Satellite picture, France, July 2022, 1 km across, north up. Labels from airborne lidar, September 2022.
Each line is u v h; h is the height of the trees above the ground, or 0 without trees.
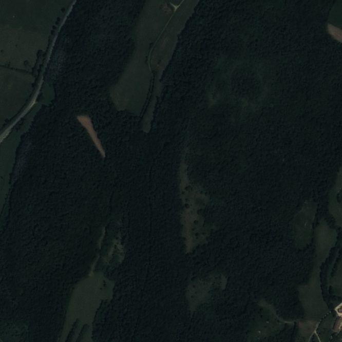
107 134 20
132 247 16
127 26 13
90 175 17
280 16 11
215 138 18
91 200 18
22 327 8
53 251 13
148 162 22
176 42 0
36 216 14
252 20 11
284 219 8
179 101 18
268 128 13
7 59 0
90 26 15
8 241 17
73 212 15
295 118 6
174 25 0
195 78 21
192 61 28
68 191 13
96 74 16
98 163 18
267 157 12
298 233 0
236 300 21
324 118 17
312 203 0
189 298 0
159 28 0
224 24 19
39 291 21
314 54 16
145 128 0
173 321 18
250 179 9
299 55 10
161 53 0
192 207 0
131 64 0
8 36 0
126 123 14
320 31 16
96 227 21
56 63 25
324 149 15
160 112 22
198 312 6
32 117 0
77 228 18
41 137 24
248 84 17
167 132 18
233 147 6
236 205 16
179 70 24
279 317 8
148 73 0
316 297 0
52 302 26
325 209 23
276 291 14
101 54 12
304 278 16
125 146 17
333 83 12
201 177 20
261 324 0
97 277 0
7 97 0
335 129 19
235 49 8
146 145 17
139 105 0
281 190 15
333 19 0
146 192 21
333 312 13
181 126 14
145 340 17
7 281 19
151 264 17
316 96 8
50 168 16
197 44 20
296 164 14
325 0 11
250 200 22
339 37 0
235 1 12
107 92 10
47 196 18
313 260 18
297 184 10
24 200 20
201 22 23
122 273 13
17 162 18
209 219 7
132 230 18
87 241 20
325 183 20
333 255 18
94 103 19
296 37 16
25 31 0
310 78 12
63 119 23
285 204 12
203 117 13
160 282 21
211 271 16
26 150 21
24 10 0
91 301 0
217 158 9
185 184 0
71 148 17
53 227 19
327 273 15
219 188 12
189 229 0
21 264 13
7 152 0
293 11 9
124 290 21
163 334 22
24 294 16
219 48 6
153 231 17
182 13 0
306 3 9
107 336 10
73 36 26
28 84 0
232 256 16
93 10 21
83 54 13
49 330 18
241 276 14
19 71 8
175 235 18
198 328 10
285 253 10
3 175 0
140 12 14
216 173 11
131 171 17
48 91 0
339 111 19
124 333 17
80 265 27
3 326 8
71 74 27
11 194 8
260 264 14
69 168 14
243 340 8
